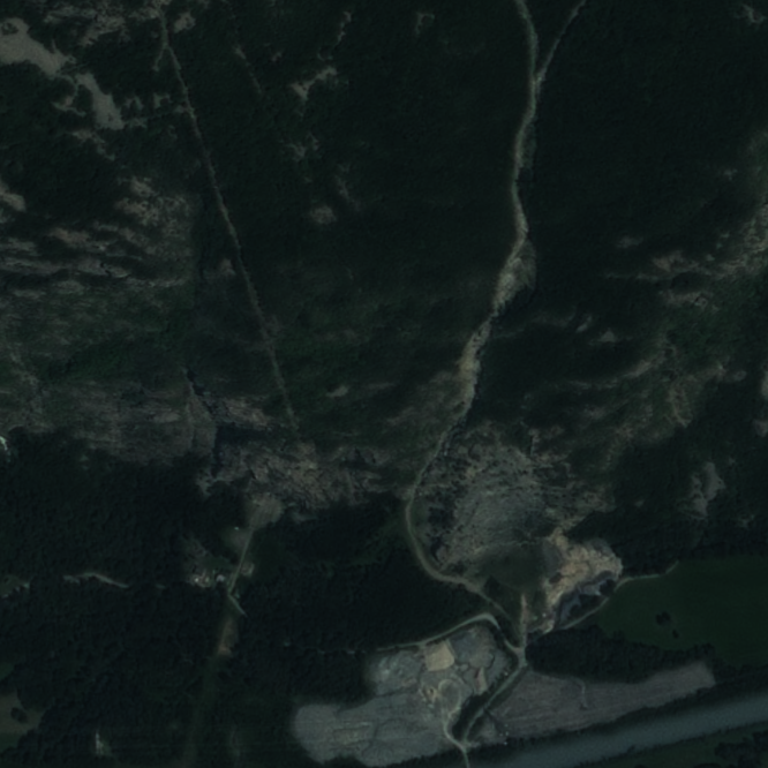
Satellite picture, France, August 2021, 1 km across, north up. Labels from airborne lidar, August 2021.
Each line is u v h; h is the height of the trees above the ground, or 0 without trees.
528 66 11
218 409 12
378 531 6
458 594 14
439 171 18
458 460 8
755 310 18
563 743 0
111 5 6
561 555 0
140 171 13
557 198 13
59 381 10
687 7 17
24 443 16
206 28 14
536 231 13
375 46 22
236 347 16
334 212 7
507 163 15
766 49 13
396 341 15
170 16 12
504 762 0
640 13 15
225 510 14
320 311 13
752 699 0
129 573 17
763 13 8
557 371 11
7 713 0
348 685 15
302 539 16
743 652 0
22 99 18
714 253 11
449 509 9
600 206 15
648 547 26
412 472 13
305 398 13
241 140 22
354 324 9
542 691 0
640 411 7
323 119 12
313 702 0
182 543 31
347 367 13
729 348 12
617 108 22
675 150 21
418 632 16
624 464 15
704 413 14
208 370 11
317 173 18
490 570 0
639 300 19
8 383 8
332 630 21
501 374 9
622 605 0
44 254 12
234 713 6
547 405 11
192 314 15
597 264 15
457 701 0
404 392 12
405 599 18
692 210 12
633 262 11
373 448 9
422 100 20
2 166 12
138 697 23
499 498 0
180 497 22
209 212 11
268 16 10
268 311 10
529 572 0
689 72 19
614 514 11
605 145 21
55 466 18
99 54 21
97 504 16
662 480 18
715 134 19
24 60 7
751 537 18
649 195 18
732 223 14
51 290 10
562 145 11
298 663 18
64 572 15
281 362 14
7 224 6
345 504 15
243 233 15
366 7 9
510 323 8
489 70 16
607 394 18
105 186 15
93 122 11
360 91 20
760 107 21
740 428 17
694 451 6
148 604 18
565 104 11
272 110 17
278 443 11
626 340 17
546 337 13
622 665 25
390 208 16
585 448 11
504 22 10
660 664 19
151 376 13
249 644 23
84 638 13
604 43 16
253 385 10
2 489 18
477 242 13
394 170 20
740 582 0
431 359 10
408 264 15
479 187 15
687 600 0
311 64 13
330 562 14
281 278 12
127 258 12
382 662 0
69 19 12
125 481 18
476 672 0
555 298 10
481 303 9
